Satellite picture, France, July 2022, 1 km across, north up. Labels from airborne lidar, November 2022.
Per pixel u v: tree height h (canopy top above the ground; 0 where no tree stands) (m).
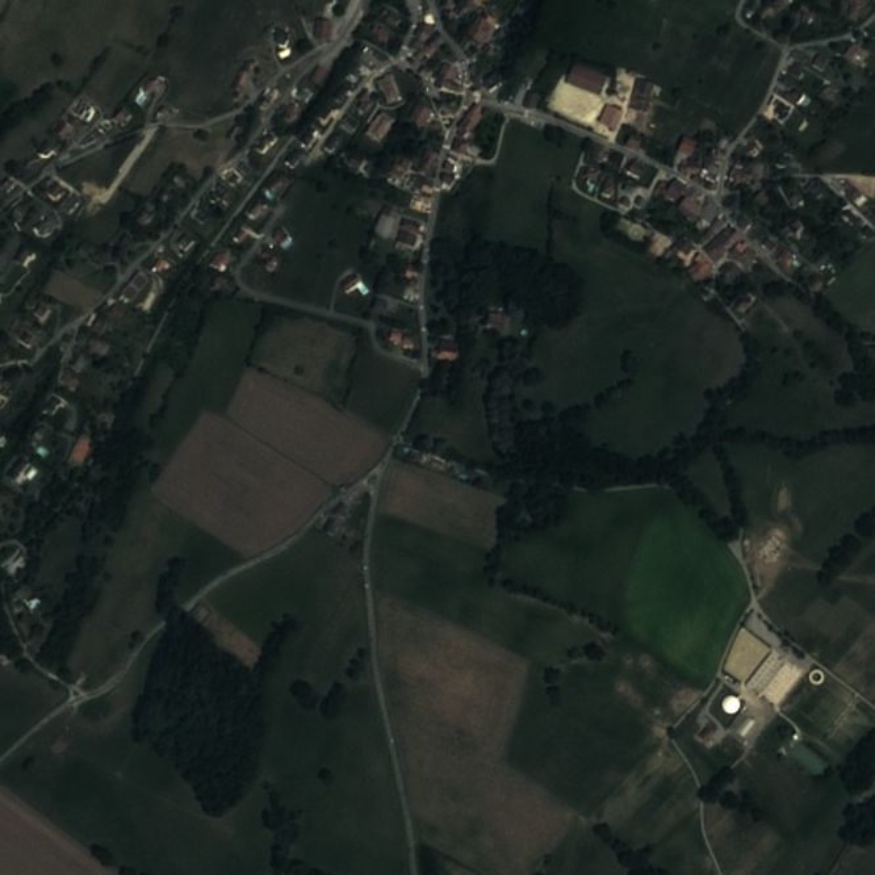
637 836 0
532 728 0
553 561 0
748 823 0
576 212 0
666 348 0
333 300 0
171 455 0
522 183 0
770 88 0
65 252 10
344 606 0
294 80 0
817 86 6
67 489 12
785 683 0
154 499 0
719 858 0
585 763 0
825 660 0
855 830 20
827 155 0
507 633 0
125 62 0
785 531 0
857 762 21
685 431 0
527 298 24
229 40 0
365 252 12
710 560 0
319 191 10
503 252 22
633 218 10
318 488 0
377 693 0
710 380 0
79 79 0
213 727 7
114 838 0
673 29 0
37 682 0
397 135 8
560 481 12
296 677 0
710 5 0
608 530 0
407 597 0
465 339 24
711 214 0
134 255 10
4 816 0
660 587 0
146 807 0
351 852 0
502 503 0
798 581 0
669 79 0
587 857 0
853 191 0
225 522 0
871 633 0
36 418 8
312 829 0
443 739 0
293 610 0
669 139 0
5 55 0
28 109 13
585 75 0
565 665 0
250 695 16
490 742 0
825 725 0
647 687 0
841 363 0
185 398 0
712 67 0
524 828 0
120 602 0
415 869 0
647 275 0
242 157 0
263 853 0
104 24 0
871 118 0
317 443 0
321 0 0
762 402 0
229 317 0
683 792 0
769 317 0
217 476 0
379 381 0
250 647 0
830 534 0
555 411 24
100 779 0
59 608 10
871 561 0
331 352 0
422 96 7
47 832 0
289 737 0
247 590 0
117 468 12
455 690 0
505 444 19
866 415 0
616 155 7
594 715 0
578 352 0
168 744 18
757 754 0
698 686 0
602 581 0
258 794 0
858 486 0
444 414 0
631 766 0
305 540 0
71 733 0
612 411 0
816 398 0
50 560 0
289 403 0
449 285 19
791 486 0
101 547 0
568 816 0
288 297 0
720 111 0
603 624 15
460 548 0
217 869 0
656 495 0
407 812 0
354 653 0
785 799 0
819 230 10
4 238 7
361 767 0
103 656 0
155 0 0
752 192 7
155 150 0
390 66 0
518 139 0
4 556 7
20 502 9
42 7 0
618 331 0
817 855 0
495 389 16
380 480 0
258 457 0
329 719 16
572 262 0
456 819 0
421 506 0
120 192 0
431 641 0
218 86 0
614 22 0
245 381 0
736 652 0
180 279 6
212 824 0
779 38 13
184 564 15
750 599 0
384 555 0
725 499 0
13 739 0
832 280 0
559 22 0
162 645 0
